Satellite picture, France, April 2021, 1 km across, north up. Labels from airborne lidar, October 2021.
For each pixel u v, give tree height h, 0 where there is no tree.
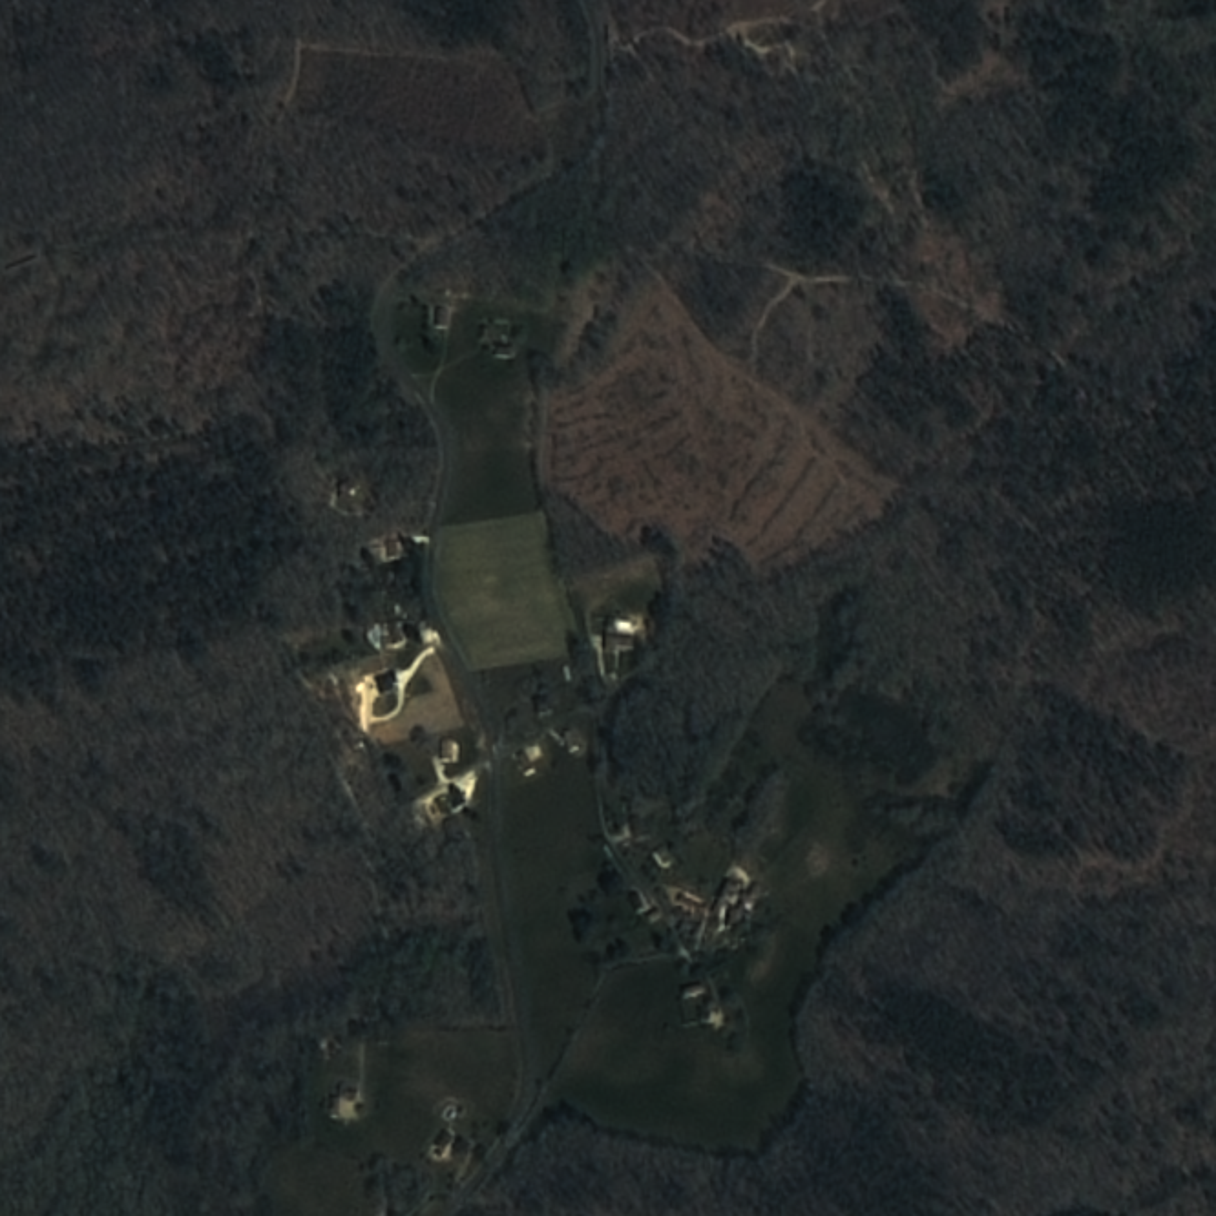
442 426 0
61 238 8
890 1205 19
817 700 17
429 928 13
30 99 19
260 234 9
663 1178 17
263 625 16
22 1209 27
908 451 15
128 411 17
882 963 14
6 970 22
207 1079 20
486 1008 26
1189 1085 17
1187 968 17
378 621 16
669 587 15
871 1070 16
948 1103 20
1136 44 18
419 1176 12
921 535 18
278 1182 0
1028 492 19
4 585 21
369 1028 13
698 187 15
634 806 22
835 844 0
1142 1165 12
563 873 0
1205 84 19
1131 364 9
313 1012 23
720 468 0
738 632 19
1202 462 20
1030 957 13
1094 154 21
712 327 17
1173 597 21
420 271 14
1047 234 17
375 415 11
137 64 10
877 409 20
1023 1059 19
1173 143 20
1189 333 14
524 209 15
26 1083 18
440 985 23
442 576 0
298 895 17
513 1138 17
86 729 19
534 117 14
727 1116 0
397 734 0
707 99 12
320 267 14
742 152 17
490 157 12
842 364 0
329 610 21
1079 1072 17
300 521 18
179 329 12
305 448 18
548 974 0
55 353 12
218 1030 11
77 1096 25
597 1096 0
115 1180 26
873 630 22
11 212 11
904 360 10
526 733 0
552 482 0
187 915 21
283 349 25
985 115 18
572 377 13
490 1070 0
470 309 0
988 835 18
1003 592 23
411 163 11
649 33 13
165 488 9
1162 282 11
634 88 14
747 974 0
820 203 19
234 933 22
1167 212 17
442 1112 0
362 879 16
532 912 0
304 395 21
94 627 0
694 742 21
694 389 0
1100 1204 10
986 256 16
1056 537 23
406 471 13
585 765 0
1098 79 20
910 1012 19
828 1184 17
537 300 18
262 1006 16
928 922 15
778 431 0
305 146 11
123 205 9
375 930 13
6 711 19
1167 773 19
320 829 16
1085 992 16
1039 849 20
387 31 15
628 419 0
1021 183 19
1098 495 19
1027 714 20
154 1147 24
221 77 15
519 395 0
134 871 17
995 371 17
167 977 19
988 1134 19
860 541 15
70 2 10
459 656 0
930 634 22
